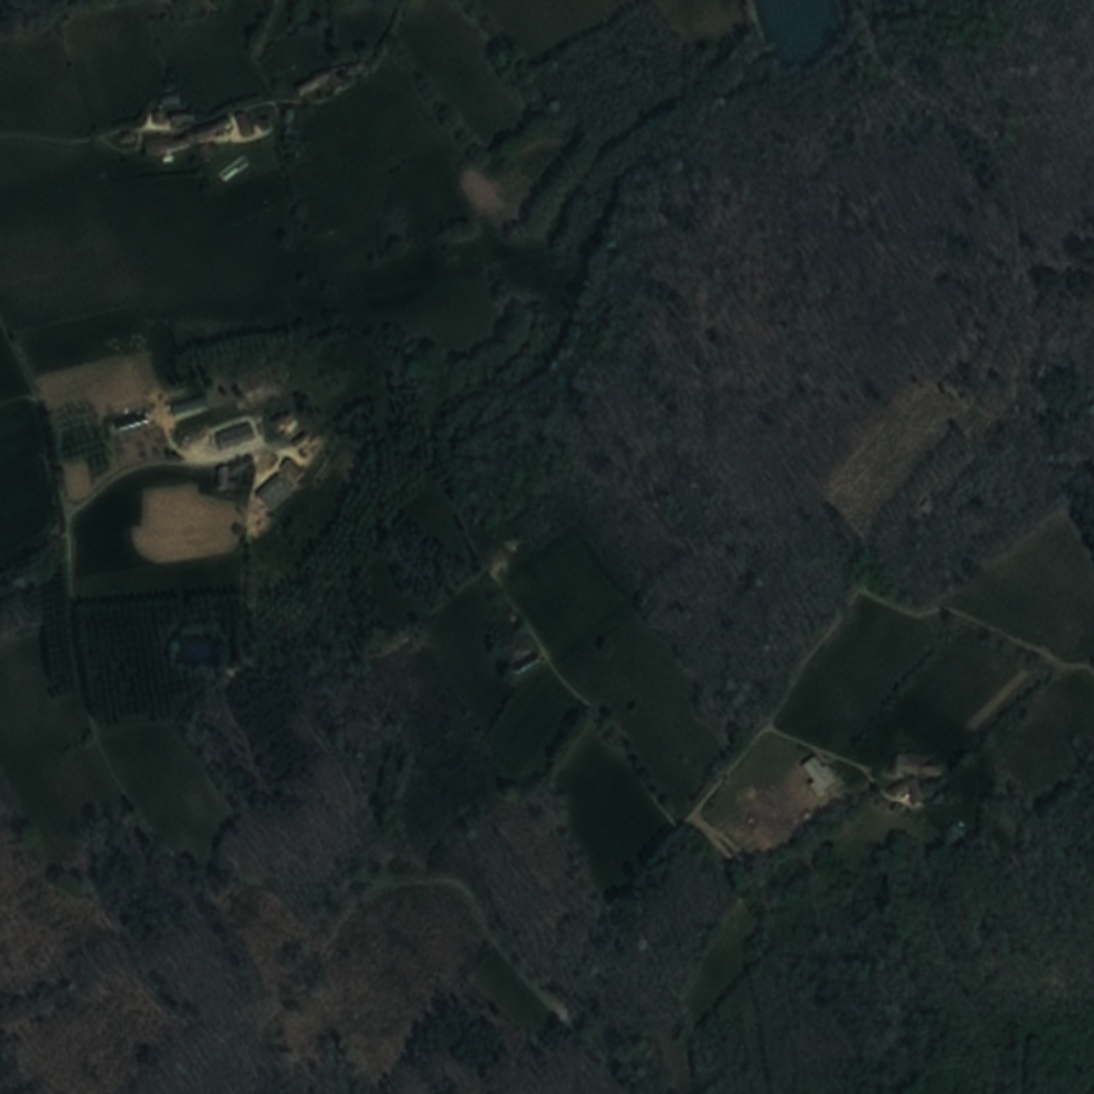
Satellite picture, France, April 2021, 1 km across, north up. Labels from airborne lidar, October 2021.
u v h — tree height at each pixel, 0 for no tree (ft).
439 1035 90
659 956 71
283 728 39
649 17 50
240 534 41
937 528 51
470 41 0
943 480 56
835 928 37
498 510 56
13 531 0
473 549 38
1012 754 0
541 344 43
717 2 0
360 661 30
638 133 66
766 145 30
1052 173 71
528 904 62
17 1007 46
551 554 0
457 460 55
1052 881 70
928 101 74
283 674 39
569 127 32
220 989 58
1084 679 0
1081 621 0
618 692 0
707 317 41
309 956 19
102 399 0
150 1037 18
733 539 58
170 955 65
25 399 0
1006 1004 57
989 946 60
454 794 0
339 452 23
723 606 62
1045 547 0
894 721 0
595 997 44
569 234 65
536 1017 0
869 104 67
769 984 53
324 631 89
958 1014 65
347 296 0
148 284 0
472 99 0
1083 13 49
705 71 50
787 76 51
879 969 76
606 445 56
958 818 0
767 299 30
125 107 0
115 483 0
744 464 56
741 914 0
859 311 32
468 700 0
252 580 45
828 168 40
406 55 43
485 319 0
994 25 71
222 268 0
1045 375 47
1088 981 57
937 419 0
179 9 55
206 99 0
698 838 51
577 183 75
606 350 81
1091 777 75
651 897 87
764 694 53
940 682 0
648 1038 27
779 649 63
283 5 0
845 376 48
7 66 0
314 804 57
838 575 60
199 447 0
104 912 54
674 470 40
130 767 0
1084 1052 68
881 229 56
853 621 29
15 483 0
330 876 45
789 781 0
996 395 63
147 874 64
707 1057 50
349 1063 66
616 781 0
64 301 0
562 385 54
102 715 55
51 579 33
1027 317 45
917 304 52
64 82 0
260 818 73
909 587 51
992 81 57
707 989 0
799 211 41
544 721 0
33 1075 22
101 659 63
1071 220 51
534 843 22
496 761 0
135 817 78
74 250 0
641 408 80
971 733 0
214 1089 68
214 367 22
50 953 21
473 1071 79
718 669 66
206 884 80
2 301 0
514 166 0
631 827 0
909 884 84
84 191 0
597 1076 52
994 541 49
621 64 43
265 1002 67
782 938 42
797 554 60
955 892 73
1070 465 35
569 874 20
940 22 59
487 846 56
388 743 19
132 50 0
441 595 42
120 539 0
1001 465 56
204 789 0
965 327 55
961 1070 66
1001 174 46
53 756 0
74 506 0
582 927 48
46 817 0
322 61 0
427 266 0
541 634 0
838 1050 53
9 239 0
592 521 24
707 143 70
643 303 72
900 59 65
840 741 0
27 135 0
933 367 44
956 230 73
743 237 23
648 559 32
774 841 0
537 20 0
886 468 0
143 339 0
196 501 0
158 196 0
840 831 63
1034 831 76
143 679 49
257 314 0
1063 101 48
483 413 44
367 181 0
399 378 44
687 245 42
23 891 19
